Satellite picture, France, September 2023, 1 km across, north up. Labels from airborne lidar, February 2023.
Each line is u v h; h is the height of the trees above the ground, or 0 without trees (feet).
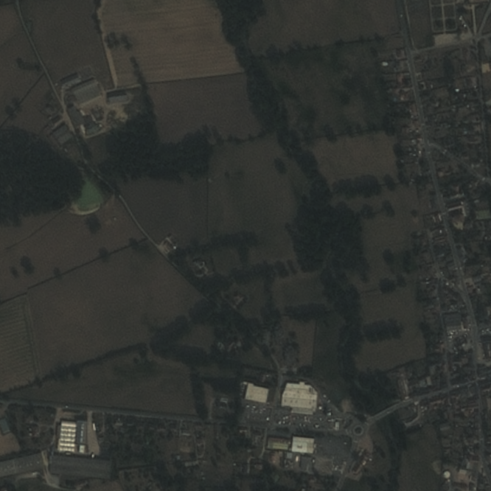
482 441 0
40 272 0
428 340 26
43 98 0
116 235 0
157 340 57
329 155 0
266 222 0
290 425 0
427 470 0
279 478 0
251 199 0
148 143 46
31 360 0
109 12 0
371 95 0
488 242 23
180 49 0
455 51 0
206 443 0
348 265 89
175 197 0
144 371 0
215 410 0
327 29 0
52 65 0
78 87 0
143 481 0
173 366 0
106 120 0
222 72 0
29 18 0
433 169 0
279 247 0
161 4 0
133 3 0
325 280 72
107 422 25
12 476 0
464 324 0
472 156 0
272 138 0
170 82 0
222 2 76
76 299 0
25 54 0
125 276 0
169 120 0
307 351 0
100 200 0
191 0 0
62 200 66
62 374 60
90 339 0
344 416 0
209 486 0
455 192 23
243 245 70
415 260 0
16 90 0
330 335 0
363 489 0
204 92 0
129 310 0
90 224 57
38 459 0
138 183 0
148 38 0
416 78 0
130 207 0
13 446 0
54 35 0
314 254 72
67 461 0
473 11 0
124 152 44
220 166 0
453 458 0
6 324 0
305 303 0
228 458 0
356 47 0
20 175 94
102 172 51
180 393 0
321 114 0
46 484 0
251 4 60
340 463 0
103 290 0
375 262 0
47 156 91
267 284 50
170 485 33
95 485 0
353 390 57
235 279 73
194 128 0
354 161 0
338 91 0
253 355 0
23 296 0
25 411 55
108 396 0
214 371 0
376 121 0
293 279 0
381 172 0
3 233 0
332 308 0
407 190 0
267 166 0
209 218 0
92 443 0
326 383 0
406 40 0
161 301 0
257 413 0
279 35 0
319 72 0
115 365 0
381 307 0
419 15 0
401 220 0
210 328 0
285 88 0
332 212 58
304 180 0
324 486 26
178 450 0
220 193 0
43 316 0
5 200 85
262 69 0
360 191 76
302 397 0
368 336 63
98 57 0
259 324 54
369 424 0
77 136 58
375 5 0
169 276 0
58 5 0
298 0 0
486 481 0
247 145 0
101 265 0
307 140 80
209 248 39
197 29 0
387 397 62
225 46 0
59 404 0
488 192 51
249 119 0
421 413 0
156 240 0
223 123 0
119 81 0
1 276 0
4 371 0
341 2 0
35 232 0
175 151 60
